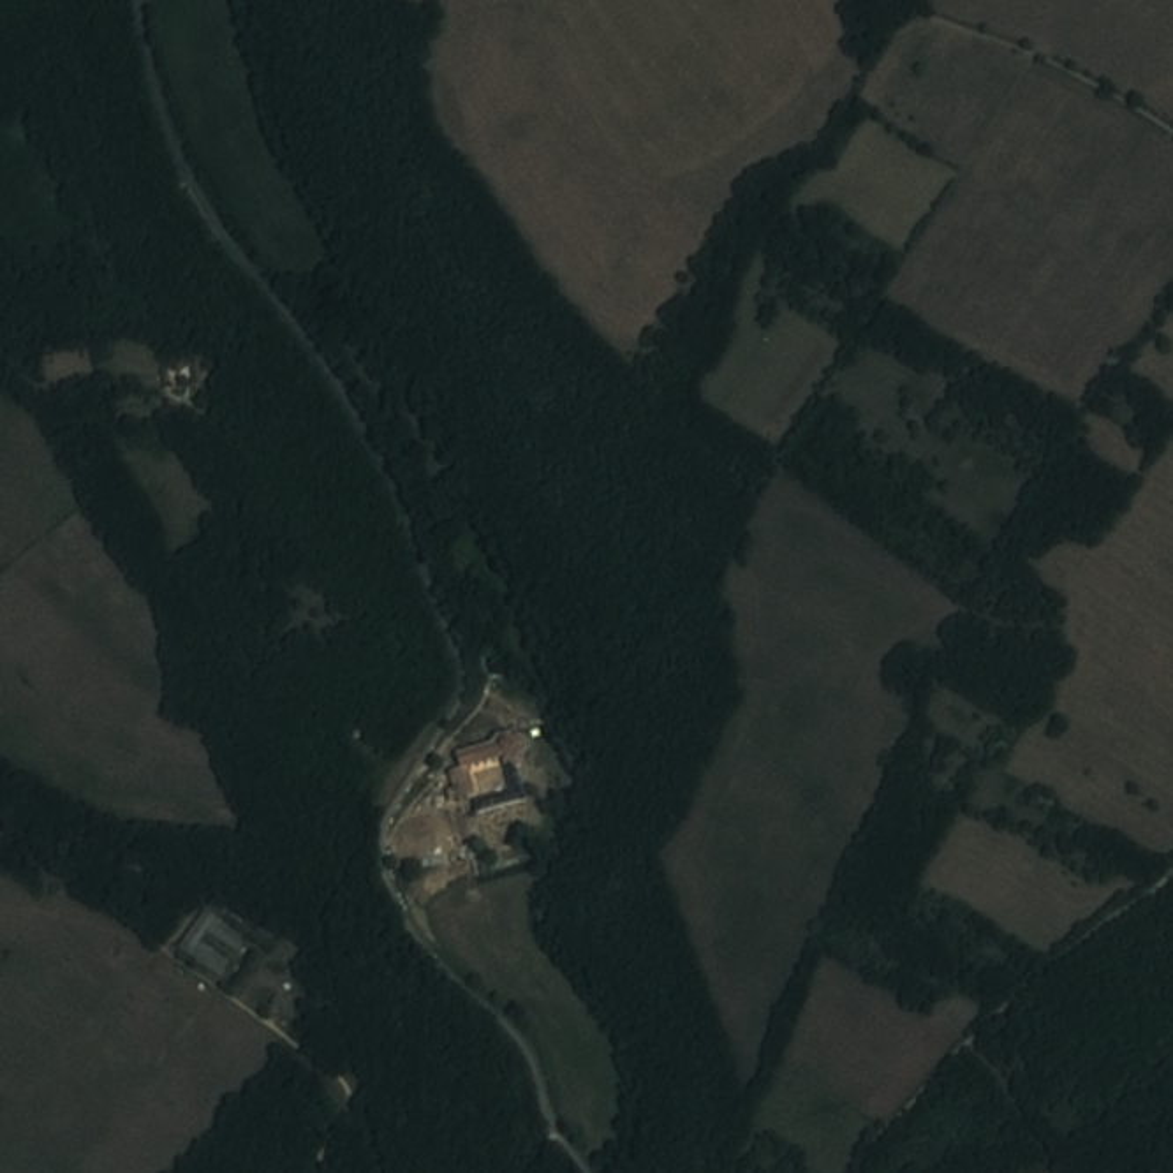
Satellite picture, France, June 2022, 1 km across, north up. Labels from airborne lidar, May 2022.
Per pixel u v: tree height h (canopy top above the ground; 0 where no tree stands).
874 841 13
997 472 0
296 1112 18
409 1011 16
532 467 9
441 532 26
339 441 17
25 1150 0
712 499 15
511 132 0
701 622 11
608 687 17
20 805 17
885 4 17
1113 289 0
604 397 10
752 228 16
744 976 0
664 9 0
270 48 17
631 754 17
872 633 0
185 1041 0
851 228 10
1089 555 0
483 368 13
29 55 19
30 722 0
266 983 0
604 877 7
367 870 15
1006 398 12
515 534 18
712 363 10
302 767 16
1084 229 0
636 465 15
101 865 17
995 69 0
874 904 14
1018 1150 10
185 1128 0
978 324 0
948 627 12
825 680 0
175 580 19
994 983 16
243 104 0
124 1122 0
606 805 19
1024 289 0
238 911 15
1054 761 0
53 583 0
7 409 0
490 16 0
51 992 0
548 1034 0
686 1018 14
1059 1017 11
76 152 13
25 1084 0
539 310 10
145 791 0
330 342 24
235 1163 17
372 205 13
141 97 16
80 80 15
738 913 0
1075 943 9
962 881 0
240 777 16
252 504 15
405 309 17
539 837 14
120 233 16
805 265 11
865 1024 0
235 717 14
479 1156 15
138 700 0
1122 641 0
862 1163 7
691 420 9
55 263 9
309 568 11
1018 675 11
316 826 14
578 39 0
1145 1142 12
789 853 0
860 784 0
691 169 0
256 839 16
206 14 0
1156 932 10
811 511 0
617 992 22
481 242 10
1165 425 13
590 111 0
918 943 16
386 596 16
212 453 14
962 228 0
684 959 17
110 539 18
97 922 0
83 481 13
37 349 6
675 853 0
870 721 0
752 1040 0
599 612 15
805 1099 0
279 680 15
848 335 8
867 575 0
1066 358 0
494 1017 17
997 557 9
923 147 11
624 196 0
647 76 0
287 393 12
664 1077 14
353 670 12
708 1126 10
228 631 15
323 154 15
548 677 21
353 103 12
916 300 0
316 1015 13
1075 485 10
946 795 11
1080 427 7
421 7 11
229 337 20
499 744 0
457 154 11
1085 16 0
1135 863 11
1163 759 0
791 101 0
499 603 17
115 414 9
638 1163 23
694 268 13
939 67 0
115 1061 0
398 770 0
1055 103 0
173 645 15
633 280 0
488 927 0
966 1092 9
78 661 0
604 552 12
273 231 0
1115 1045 11
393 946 18
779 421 0
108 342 10
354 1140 16
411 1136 16
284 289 25
